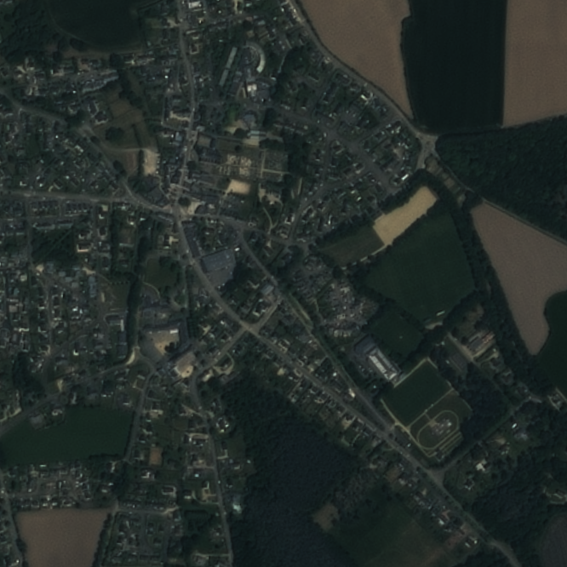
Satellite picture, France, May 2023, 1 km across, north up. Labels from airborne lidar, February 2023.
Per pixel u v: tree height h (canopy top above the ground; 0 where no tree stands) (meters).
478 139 17
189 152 0
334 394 0
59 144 7
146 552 0
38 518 0
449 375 21
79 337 0
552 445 14
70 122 15
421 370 0
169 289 10
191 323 6
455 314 16
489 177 18
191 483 0
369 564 0
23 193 0
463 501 6
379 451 16
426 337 15
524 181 11
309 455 20
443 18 0
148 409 0
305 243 0
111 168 0
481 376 15
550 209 18
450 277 0
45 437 0
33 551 0
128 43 0
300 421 6
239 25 0
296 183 12
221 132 8
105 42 0
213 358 0
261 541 17
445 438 0
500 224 0
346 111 0
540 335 0
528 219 14
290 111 0
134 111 0
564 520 0
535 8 0
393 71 0
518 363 13
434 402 0
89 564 0
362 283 17
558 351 0
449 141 17
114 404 0
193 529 10
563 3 0
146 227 10
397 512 0
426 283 0
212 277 0
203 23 8
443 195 16
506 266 0
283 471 20
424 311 0
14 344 0
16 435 0
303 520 16
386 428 0
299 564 15
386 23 0
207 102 0
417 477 0
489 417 21
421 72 0
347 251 0
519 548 21
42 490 0
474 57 0
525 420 0
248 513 19
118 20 0
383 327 0
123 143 0
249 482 7
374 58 0
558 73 0
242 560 17
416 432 0
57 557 0
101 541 9
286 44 0
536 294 0
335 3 0
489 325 7
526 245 0
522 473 17
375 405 13
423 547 0
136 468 6
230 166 0
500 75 0
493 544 0
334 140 0
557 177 8
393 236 0
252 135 0
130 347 8
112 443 0
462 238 14
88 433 0
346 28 0
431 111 0
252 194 0
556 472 17
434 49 0
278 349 0
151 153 0
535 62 0
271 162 0
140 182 6
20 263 0
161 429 0
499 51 0
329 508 0
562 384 0
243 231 0
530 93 0
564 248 0
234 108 8
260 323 0
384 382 7
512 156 16
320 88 0
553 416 15
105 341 0
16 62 14
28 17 10
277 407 18
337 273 15
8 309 0
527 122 0
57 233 0
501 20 0
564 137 14
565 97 0
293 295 8
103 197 0
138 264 11
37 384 10
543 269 0
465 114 0
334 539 8
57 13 0
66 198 0
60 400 0
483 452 15
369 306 0
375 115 0
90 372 0
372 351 0
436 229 0
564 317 0
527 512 12
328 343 11
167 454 10
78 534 0
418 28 0
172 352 9
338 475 21
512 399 14
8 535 0
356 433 0
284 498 19
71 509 0
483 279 13
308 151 6
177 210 0
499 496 15
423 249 0
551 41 0
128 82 13
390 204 17
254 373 0
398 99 0
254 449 6
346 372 12
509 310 10
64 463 0
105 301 0
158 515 0
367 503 13
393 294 0
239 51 12
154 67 0
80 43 12
